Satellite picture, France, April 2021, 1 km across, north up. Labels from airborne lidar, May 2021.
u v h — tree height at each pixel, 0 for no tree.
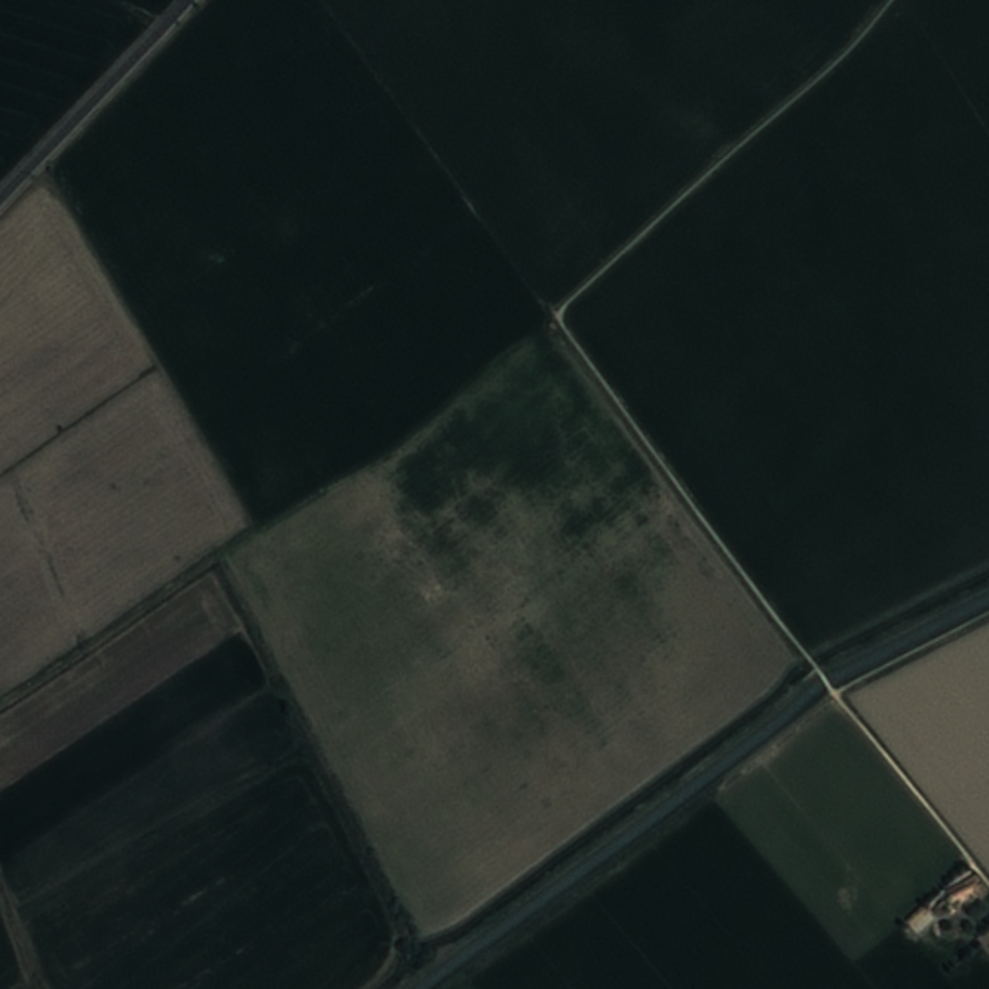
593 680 0
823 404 0
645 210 0
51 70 0
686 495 0
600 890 0
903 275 0
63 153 0
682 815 0
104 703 0
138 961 0
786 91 0
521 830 0
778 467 0
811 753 0
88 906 0
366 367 0
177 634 0
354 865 0
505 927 0
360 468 0
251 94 0
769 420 0
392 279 0
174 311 0
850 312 0
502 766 0
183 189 0
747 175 0
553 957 0
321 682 0
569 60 0
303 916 0
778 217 0
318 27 0
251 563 0
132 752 0
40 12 0
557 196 0
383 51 0
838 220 0
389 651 0
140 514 0
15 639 0
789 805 0
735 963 0
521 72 0
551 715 0
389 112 0
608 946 0
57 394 0
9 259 0
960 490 0
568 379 0
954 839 0
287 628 0
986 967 0
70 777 0
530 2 0
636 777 0
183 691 0
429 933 0
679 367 0
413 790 0
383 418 0
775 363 0
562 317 0
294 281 0
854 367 0
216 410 0
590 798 0
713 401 0
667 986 0
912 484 0
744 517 0
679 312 0
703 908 0
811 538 0
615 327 0
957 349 0
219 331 0
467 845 0
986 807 0
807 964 0
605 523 0
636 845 0
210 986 0
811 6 0
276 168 0
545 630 0
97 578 0
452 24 0
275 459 0
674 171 0
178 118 0
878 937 0
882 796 0
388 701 0
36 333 0
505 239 0
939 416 0
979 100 0
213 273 0
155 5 0
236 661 0
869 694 0
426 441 0
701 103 0
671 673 0
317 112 0
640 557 0
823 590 0
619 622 0
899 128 0
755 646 0
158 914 0
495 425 0
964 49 0
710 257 0
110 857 0
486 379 0
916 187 0
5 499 0
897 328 0
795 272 0
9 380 0
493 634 0
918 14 0
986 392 0
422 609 0
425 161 0
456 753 0
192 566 0
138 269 0
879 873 0
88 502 0
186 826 0
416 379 0
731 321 0
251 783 0
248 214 0
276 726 0
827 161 0
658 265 0
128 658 0
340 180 0
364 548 0
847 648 0
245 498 0
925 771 0
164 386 0
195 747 0
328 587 0
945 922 7
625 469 0
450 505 0
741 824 0
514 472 0
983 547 0
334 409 0
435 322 0
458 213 0
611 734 0
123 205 0
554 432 0
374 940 0
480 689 0
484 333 0
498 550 0
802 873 0
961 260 0
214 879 0
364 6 0
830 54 0
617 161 0
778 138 0
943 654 0
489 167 0
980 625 0
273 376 0
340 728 0
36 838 0
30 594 0
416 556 0
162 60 0
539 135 0
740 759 0
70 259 0
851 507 0
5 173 0
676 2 0
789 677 0
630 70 0
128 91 0
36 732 0
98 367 0
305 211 0
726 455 0
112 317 0
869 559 0
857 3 0
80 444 0
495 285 0
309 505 0
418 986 0
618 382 0
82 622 0
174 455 0
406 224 0
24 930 0
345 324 0
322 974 0
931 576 0
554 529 0
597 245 0
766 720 0
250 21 0
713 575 0
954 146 0
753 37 0
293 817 0
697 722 0
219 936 0
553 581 0
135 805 0
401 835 0
